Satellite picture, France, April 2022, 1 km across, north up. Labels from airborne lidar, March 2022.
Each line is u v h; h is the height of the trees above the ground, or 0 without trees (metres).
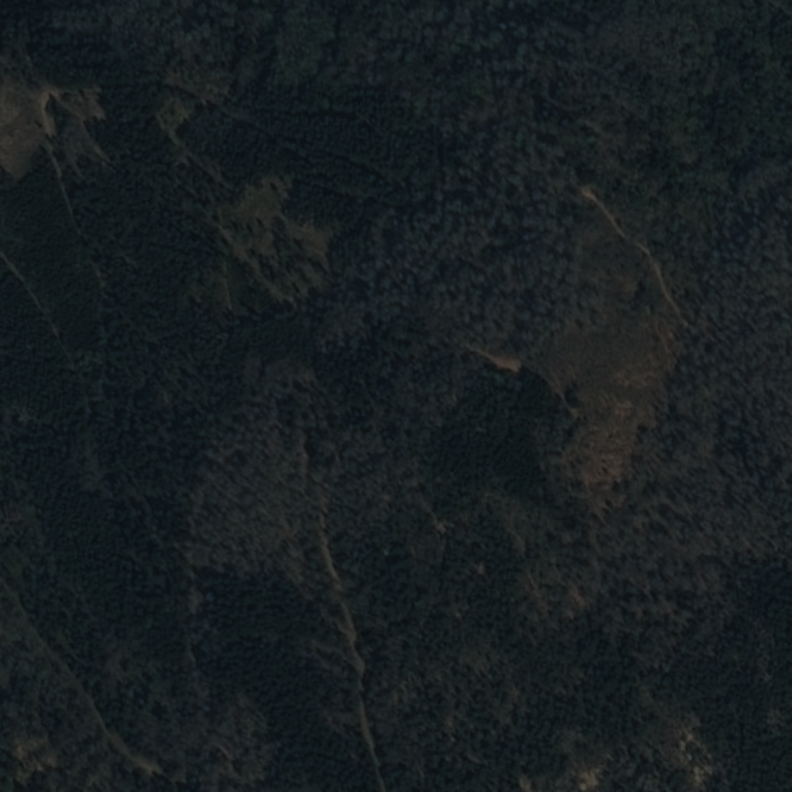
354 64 22
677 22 29
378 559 27
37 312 27
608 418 16
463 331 15
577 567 25
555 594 15
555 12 21
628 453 8
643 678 13
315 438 23
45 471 31
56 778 29
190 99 18
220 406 22
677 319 16
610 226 12
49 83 20
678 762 10
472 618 17
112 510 25
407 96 26
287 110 31
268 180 24
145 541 33
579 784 11
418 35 18
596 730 24
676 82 28
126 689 15
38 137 0
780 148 23
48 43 27
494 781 17
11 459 23
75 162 28
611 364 15
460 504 22
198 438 29
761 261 32
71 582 30
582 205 36
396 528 20
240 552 24
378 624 19
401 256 25
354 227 26
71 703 21
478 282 14
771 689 22
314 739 27
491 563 10
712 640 14
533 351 9
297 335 23
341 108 26
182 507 29
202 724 23
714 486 31
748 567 23
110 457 27
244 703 29
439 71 13
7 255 13
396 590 25
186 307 20
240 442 32
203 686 20
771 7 23
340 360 27
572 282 33
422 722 26
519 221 18
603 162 12
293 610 27
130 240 23
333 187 29
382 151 29
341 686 28
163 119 5
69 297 15
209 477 38
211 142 20
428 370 16
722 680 23
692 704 17
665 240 13
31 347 31
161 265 28
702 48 27
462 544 11
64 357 29
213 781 28
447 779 14
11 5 24
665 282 9
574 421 27
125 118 19
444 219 29
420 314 18
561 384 13
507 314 29
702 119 25
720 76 25
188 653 24
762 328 35
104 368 15
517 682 14
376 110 28
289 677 32
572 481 12
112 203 23
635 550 29
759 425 34
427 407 18
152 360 6
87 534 31
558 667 9
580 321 10
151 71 26
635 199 19
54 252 13
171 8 31
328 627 29
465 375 21
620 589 24
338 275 18
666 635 19
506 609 18
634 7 31
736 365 33
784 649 23
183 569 32
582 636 25
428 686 26
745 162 18
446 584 18
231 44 23
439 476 19
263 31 8
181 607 21
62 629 26
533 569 11
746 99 23
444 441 18
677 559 19
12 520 27
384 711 12
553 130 43
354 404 26
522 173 30
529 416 21
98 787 26
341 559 8
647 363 12
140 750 20
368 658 24
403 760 15
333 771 27
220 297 0
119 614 27
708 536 29
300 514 23
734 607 23
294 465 26
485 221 28
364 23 20
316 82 24
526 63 35
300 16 27
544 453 24
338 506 23
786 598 24
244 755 33
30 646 33
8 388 31
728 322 36
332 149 24
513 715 9
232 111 20
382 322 26
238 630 26
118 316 26
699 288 19
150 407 29
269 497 28
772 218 32
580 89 23
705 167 27
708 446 32
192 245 24
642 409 15
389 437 33
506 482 14
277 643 29
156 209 25
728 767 16
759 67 20
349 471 27
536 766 22
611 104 13
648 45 30
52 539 23
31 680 28
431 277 28
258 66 10
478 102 20
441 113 22
